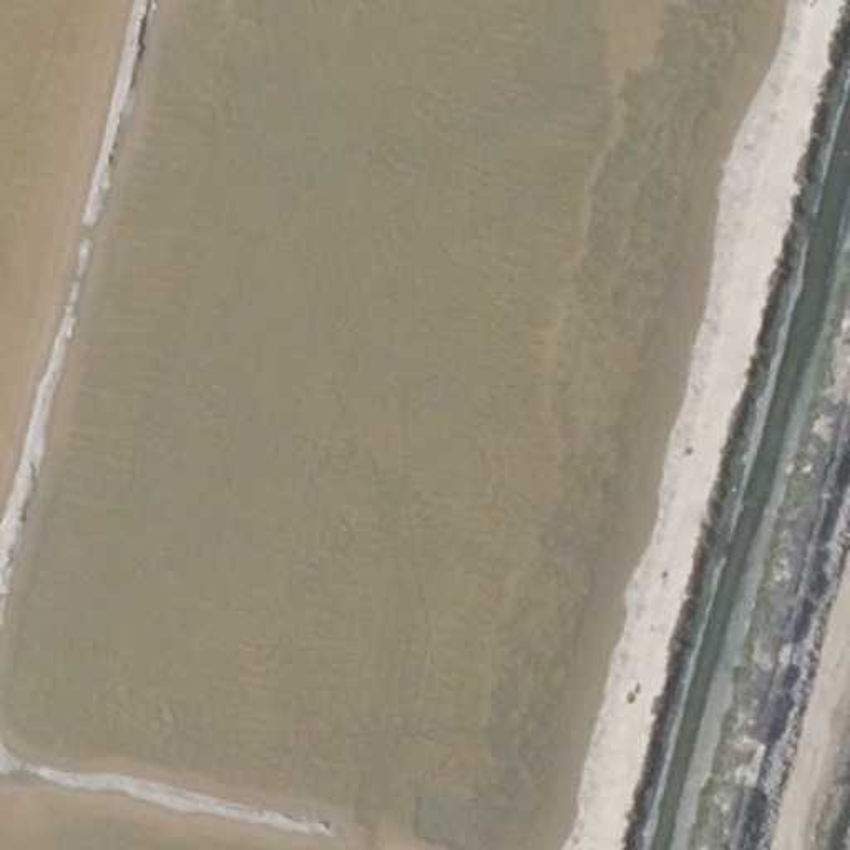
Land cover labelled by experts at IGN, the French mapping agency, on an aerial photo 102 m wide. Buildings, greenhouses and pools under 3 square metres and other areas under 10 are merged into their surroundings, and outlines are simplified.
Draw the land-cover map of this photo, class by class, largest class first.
<instances>
[{"label":"water","instance_id":"1","mask_svg":"<svg viewBox=\"0 0 850 850\"><path fill-rule=\"evenodd\" d=\"M136 0H0V521L7 511V498L13 491L37 382L46 372L56 329L63 315H73L76 322L50 398L43 458L30 475V491L20 508V528L10 548V591L0 628V744L10 757L33 760L43 767H60L73 774H126L139 780H159L176 790L209 794L219 800L325 823L322 837L292 833L269 823H242L199 810H169L153 800L129 797L126 790L60 787L27 770L0 774V850H561L578 817L581 770L588 760L598 711L604 704L611 654L621 641L628 618L624 591L651 545V531L657 521V491L667 458V438L684 405L691 352L707 309L717 189L724 179V163L777 56L790 0H139L143 23L129 80V103L110 153V186L103 189L96 222H83V206L120 73L129 7ZM843 216H850V100L837 133L830 176L823 183L820 213L807 226L810 249L804 292L794 309L784 362L777 372V388L764 422V438L744 495V511L734 538L727 541L724 574L717 584L711 624L691 681V697L651 850H671L687 770L704 721L707 694L724 657L727 628L740 601L750 551L780 468L794 402L800 395L804 372L813 359L823 329V312L840 249V222ZM843 804L833 820L827 850H850V757L840 777Z\"/></svg>","mask_w":850,"mask_h":850},{"label":"pervious surface","instance_id":"2","mask_svg":"<svg viewBox=\"0 0 850 850\"><path fill-rule=\"evenodd\" d=\"M143 23L139 0H136L129 7L120 73L83 206V222H96L103 189L110 186V153L129 103V80ZM843 17L840 0H790L777 56L724 163V179L717 189L707 309L691 352L684 405L667 438V458L657 491V521L651 531V545L624 591L628 618L621 641L611 654L604 704L598 711L588 760L581 770L578 817L561 850H621L628 817L634 807V790L644 774L654 704L667 681L674 628L687 601L701 528L707 521V505L717 485L724 442L747 385V369L757 349L764 305L770 296V276L784 249V236L790 229L797 169L810 143L823 76L830 70V43ZM830 398L850 402V312L843 315L833 339V382L827 385ZM76 322L73 315H63L56 329L46 372L37 382L13 491L7 498V511L0 521V628L10 591V548L20 528V508L30 491V475L43 458L50 398ZM780 661L787 664V671L780 677V697L774 704L767 734L734 737L737 750L754 754L750 764L734 767V780L754 787L740 830V850H827L833 820L843 804L840 777L850 757V428L827 508L820 515L810 588L794 621V644L780 647ZM721 737V721H704L687 770L671 850H687V837L697 817V797L711 777ZM27 770L60 787L126 790L129 797L153 800L169 810H199L242 823H269L292 833L322 837L325 823L219 800L209 794L176 790L159 780H139L126 774H73L60 767H43L33 760L10 757L0 744V774Z\"/></svg>","mask_w":850,"mask_h":850},{"label":"herbaceous vegetation","instance_id":"3","mask_svg":"<svg viewBox=\"0 0 850 850\"><path fill-rule=\"evenodd\" d=\"M843 17L830 43V70L823 76L810 143L797 169L790 229L784 236V249L770 276V296L764 305L757 349L747 369V385L724 442L717 485L707 505V521L701 528L687 601L674 628L667 681L654 704L644 774L634 790V807L628 817L621 850H651L691 697V681L711 624L717 584L724 574L727 541L734 538L744 511V495L764 438V422L777 388V372L784 362L794 309L804 292L810 249L807 226L820 213L823 183L830 176L837 133L850 100V0H840ZM850 312V216H843L840 222V249L823 312V329L813 359L804 372L800 395L794 402L780 468L750 551L740 601L727 628L724 657L707 694L704 721H721V737L711 777L697 797V817L687 837V850H740V830L754 787L734 780V767L750 764L754 754L737 750L734 737L767 734L774 704L780 697V677L787 671V664L780 661V647L794 644V621L810 588L820 515L827 508L850 428V402L830 398L827 385L833 382V339L843 315Z\"/></svg>","mask_w":850,"mask_h":850}]
</instances>
